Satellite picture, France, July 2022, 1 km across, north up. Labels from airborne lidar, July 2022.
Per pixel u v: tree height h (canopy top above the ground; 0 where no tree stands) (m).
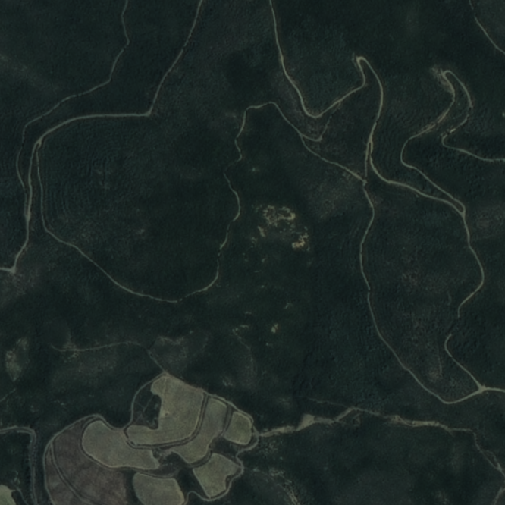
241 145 6
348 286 6
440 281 6
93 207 7
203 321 7
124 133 6
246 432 0
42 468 6
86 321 6
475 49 8
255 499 9
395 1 8
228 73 7
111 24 6
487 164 7
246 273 7
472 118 11
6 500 0
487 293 6
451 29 9
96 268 8
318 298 10
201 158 7
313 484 7
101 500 0
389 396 6
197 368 5
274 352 7
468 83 7
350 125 6
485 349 7
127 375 6
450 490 7
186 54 7
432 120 12
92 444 0
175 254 8
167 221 6
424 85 7
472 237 7
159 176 6
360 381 6
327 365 6
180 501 0
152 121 6
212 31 7
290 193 9
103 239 8
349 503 0
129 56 6
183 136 7
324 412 6
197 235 6
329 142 6
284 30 7
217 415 0
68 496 0
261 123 7
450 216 6
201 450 0
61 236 6
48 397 7
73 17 7
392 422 0
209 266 7
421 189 10
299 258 7
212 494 0
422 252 6
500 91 7
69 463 0
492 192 9
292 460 6
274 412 8
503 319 6
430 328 8
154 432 0
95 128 6
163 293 6
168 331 6
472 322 6
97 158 6
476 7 7
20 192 9
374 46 7
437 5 8
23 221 6
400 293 6
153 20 6
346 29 5
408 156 7
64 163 7
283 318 7
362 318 8
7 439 5
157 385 0
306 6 7
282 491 0
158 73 6
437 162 10
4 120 7
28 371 7
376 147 7
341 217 5
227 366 7
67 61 6
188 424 0
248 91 6
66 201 6
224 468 0
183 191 10
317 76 7
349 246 8
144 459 0
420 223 7
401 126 8
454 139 9
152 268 5
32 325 6
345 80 7
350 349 6
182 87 6
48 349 11
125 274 6
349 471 6
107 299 6
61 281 6
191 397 0
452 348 12
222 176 7
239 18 6
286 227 5
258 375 6
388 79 6
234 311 6
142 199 7
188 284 7
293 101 0
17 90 7
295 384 13
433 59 9
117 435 0
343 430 8
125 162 6
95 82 6
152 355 6
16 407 7
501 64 8
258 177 6
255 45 7
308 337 9
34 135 7
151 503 0
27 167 8
